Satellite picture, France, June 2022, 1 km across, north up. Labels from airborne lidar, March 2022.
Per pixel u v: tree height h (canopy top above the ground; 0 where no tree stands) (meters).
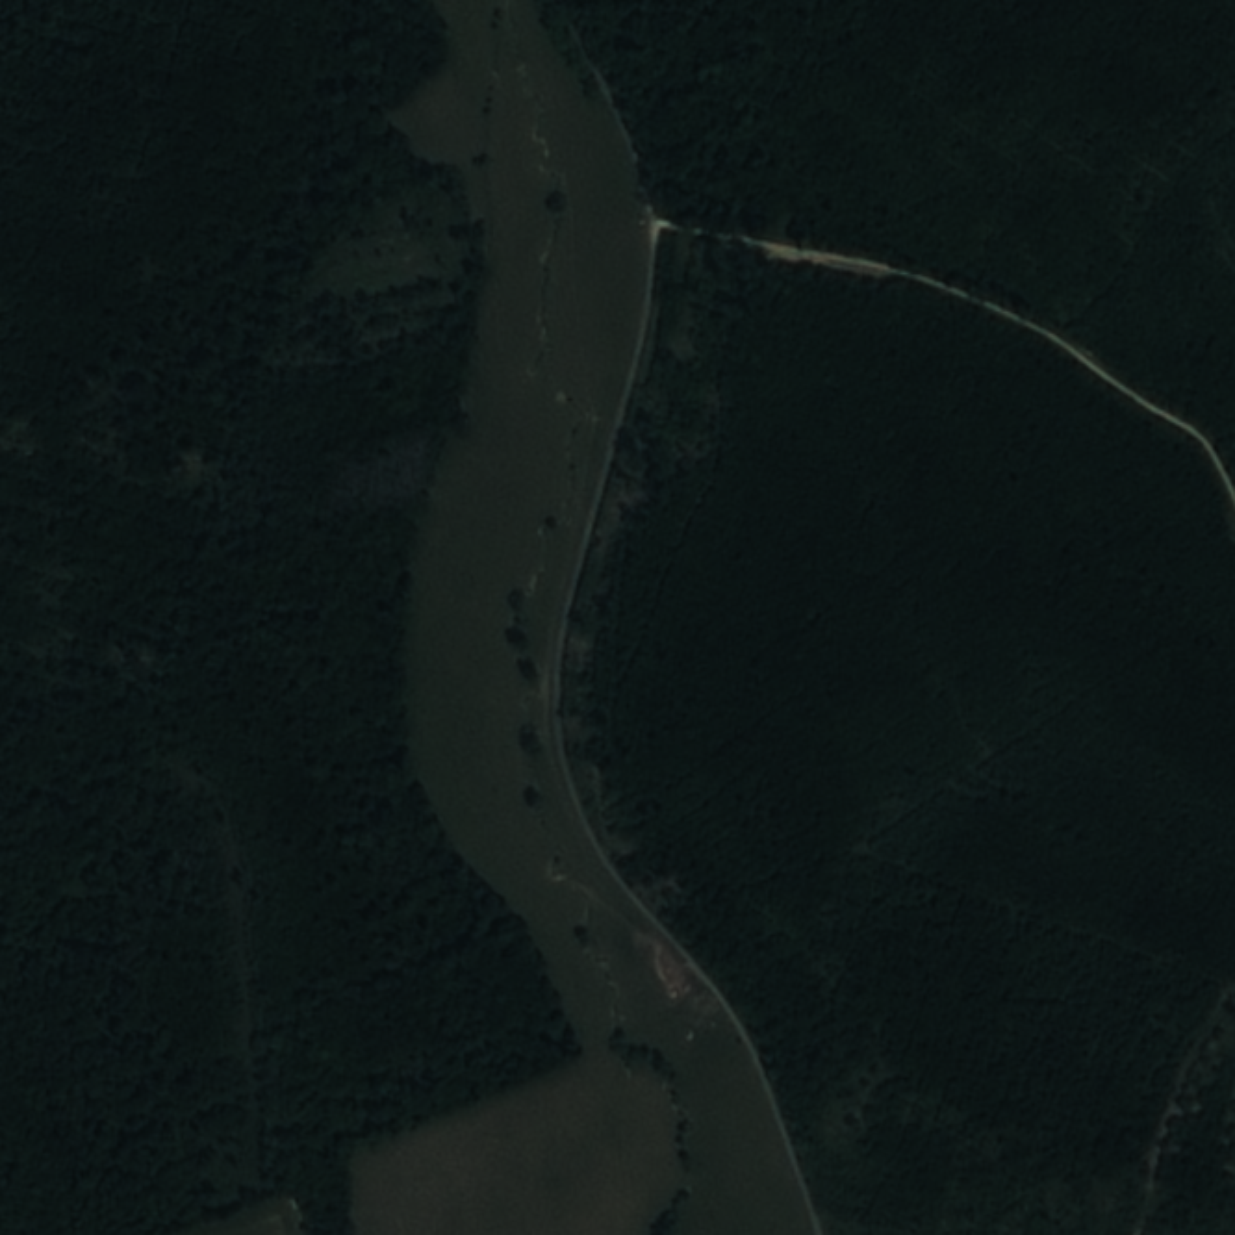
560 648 0
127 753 19
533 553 0
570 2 18
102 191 9
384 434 18
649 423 21
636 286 0
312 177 16
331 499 19
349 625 23
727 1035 0
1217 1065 0
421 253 0
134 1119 22
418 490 21
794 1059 19
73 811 26
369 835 27
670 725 6
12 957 19
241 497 16
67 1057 19
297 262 21
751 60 20
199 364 22
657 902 0
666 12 22
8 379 9
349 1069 19
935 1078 7
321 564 13
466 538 0
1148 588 15
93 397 19
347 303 11
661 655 16
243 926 0
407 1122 18
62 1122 18
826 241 14
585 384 0
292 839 22
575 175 0
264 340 13
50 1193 19
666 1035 0
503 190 0
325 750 13
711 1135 0
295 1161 18
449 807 0
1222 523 10
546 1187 0
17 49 15
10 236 8
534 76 0
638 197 0
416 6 21
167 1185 20
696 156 19
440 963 23
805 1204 0
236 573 7
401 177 23
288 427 8
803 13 18
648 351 0
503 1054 20
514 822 0
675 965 0
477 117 0
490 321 0
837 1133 0
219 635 19
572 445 0
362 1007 21
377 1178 0
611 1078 0
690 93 20
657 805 19
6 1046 15
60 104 7
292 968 7
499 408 0
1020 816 13
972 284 23
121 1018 21
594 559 0
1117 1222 0
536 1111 0
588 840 0
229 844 0
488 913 25
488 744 0
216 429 7
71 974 21
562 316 0
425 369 22
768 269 23
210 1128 11
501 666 0
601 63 18
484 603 0
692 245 0
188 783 0
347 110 23
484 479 0
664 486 22
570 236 0
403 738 21
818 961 0
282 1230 0
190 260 6
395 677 21
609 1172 0
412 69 20
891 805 0
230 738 7
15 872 19
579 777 0
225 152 7
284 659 14
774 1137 0
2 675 12
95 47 8
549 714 0
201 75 6
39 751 10
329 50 12
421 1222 0
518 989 21
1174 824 9
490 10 0
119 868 21
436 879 23
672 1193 0
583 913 0
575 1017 0
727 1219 0
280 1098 18
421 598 0
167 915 18
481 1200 0
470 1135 0
